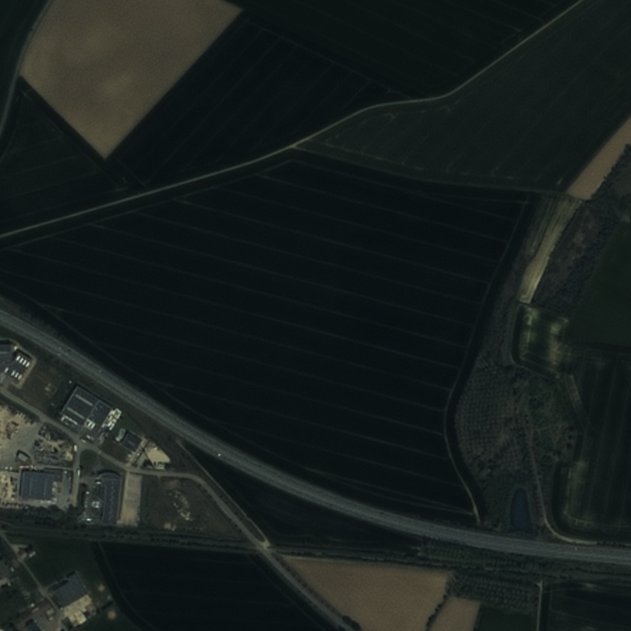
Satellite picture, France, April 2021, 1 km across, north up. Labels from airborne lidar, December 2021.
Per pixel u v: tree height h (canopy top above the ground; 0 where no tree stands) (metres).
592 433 0
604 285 0
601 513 0
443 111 0
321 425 0
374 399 0
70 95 0
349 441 0
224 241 0
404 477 0
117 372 0
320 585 0
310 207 0
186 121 0
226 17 0
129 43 0
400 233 0
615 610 0
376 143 0
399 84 0
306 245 0
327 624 0
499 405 27
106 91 0
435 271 0
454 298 0
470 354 0
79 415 0
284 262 0
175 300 0
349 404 0
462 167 0
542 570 7
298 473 0
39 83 0
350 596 0
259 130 0
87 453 0
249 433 0
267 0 0
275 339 0
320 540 0
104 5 0
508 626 0
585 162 0
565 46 0
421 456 0
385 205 0
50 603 0
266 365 0
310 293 0
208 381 0
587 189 0
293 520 0
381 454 0
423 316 0
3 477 0
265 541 0
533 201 0
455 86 0
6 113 0
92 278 0
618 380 0
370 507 0
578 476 0
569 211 0
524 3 0
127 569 0
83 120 0
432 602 0
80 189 0
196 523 0
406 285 0
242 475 0
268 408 0
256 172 0
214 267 0
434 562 7
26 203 0
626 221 0
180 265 0
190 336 0
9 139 0
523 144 0
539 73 0
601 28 0
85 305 0
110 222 0
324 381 0
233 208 0
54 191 0
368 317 0
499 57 0
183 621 0
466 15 0
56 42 0
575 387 0
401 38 0
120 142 0
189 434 0
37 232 0
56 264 0
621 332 0
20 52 0
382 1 0
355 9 0
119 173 0
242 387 0
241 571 0
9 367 0
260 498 0
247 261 0
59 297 0
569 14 0
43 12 0
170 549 0
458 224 0
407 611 0
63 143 0
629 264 0
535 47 0
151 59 0
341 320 0
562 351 0
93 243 0
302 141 0
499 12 0
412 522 0
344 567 0
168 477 0
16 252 0
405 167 0
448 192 0
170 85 0
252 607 0
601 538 0
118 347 0
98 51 0
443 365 0
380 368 0
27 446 0
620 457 0
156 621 0
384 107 0
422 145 0
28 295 0
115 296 0
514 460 24
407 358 0
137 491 0
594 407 0
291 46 0
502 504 6
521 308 0
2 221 0
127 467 0
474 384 22
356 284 0
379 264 0
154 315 0
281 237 0
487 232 0
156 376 0
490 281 0
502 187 0
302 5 0
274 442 0
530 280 0
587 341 0
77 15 0
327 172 0
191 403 0
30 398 0
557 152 0
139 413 0
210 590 0
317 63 0
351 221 0
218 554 0
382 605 0
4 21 0
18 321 0
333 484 0
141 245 0
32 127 0
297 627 0
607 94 0
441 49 0
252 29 0
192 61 0
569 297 14
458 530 0
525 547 0
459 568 6
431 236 0
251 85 0
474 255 0
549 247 0
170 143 0
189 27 0
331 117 0
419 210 0
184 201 0
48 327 9
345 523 0
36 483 0
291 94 0
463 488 0
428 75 0
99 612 8
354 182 0
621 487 0
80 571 0
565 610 0
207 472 0
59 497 0
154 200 0
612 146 0
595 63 0
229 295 0
